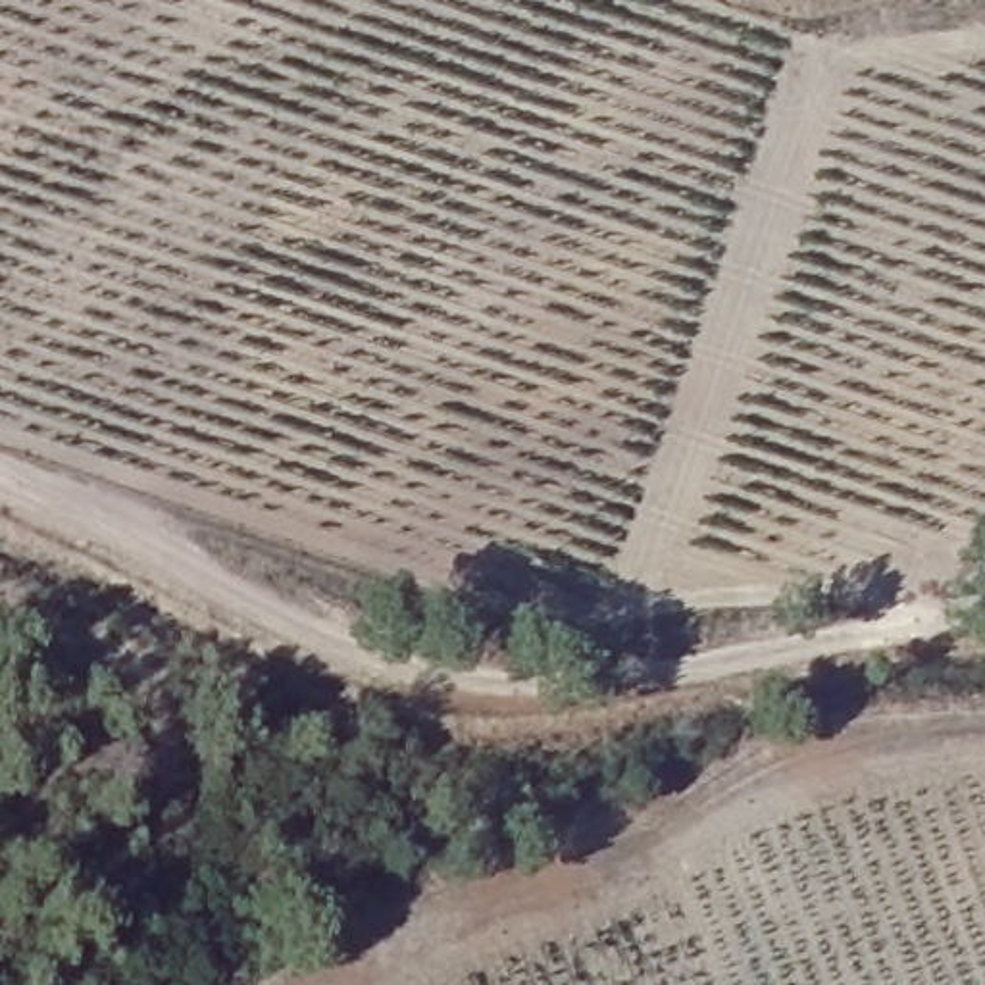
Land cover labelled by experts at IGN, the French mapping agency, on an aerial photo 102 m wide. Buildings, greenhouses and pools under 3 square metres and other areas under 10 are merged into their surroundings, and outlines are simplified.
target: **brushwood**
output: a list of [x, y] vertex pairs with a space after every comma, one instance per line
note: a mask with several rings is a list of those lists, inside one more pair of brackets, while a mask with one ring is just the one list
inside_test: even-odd
[[358, 716], [350, 700], [342, 677], [335, 677], [319, 658], [296, 658], [292, 646], [254, 654], [239, 639], [223, 639], [219, 631], [200, 631], [169, 619], [123, 585], [104, 585], [92, 577], [58, 577], [50, 562], [19, 558], [0, 546], [0, 604], [23, 600], [42, 616], [50, 631], [42, 666], [54, 696], [85, 693], [92, 666], [112, 673], [131, 696], [139, 735], [146, 746], [142, 758], [135, 746], [108, 743], [100, 708], [35, 716], [19, 723], [19, 735], [31, 750], [31, 789], [0, 793], [0, 881], [12, 870], [12, 839], [42, 839], [46, 846], [58, 846], [62, 862], [77, 866], [73, 893], [92, 889], [104, 904], [115, 908], [119, 947], [139, 947], [150, 916], [162, 916], [173, 904], [181, 904], [185, 881], [192, 873], [192, 846], [181, 839], [181, 827], [196, 816], [200, 804], [200, 758], [185, 720], [185, 704], [196, 700], [196, 689], [223, 696], [235, 693], [242, 712], [262, 708], [265, 727], [277, 731], [289, 731], [296, 716], [323, 712], [335, 743], [350, 743], [358, 735]]
[[54, 947], [38, 947], [38, 916], [23, 916], [23, 927], [15, 935], [4, 935], [0, 912], [0, 985], [85, 985], [85, 973], [100, 958], [96, 939], [88, 931], [77, 931], [81, 958], [69, 962]]

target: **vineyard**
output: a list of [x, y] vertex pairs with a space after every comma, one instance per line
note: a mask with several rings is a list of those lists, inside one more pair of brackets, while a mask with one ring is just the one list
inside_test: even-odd
[[743, 739], [731, 758], [708, 762], [700, 777], [681, 793], [658, 796], [646, 808], [631, 812], [627, 827], [585, 862], [550, 862], [539, 873], [519, 873], [512, 866], [504, 873], [473, 881], [442, 877], [431, 866], [419, 889], [408, 920], [389, 939], [381, 939], [350, 962], [323, 966], [312, 985], [985, 985], [985, 696], [973, 693], [916, 704], [873, 700], [839, 735], [820, 739]]
[[877, 619], [893, 604], [916, 604], [927, 596], [923, 581], [954, 581], [958, 573], [966, 573], [962, 550], [973, 539], [973, 523], [985, 516], [985, 23], [923, 35], [877, 35], [854, 42], [839, 35], [789, 31], [785, 15], [812, 15], [812, 0], [0, 0], [0, 454], [162, 512], [165, 500], [177, 500], [215, 519], [242, 523], [258, 535], [289, 539], [304, 550], [346, 558], [377, 573], [412, 573], [419, 589], [458, 589], [458, 600], [485, 627], [485, 635], [512, 623], [512, 612], [519, 604], [546, 608], [550, 619], [562, 619], [566, 627], [589, 635], [596, 646], [608, 646], [608, 662], [639, 658], [669, 662], [677, 669], [685, 654], [696, 650], [700, 627], [693, 608], [773, 604], [793, 585], [820, 585], [827, 589], [827, 612], [839, 619]]

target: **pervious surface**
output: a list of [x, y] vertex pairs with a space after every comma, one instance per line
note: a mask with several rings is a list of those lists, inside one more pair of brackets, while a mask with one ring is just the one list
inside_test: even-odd
[[292, 646], [296, 658], [319, 658], [335, 677], [342, 677], [350, 700], [362, 696], [366, 685], [404, 693], [416, 681], [423, 689], [442, 693], [446, 700], [454, 689], [473, 696], [539, 693], [535, 677], [516, 681], [500, 666], [458, 669], [450, 662], [427, 662], [416, 654], [396, 662], [377, 650], [366, 650], [350, 631], [350, 612], [312, 589], [300, 589], [300, 596], [289, 604], [265, 585], [235, 577], [185, 535], [181, 523], [173, 523], [162, 512], [0, 454], [0, 546], [19, 558], [50, 562], [58, 577], [92, 577], [104, 585], [123, 585], [169, 619], [200, 631], [219, 631], [223, 639], [239, 639], [254, 654]]
[[789, 677], [800, 677], [808, 677], [816, 658], [854, 662], [866, 650], [943, 635], [943, 608], [927, 596], [916, 604], [893, 604], [877, 619], [839, 619], [812, 635], [789, 635], [777, 627], [750, 643], [696, 650], [685, 654], [677, 669], [669, 662], [639, 658], [608, 662], [593, 662], [593, 685], [600, 693], [650, 696], [673, 689], [677, 673], [685, 681], [712, 681], [743, 669], [766, 669], [785, 669]]

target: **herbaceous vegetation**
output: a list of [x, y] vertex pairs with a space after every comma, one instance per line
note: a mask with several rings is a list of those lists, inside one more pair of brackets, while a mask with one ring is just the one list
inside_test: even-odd
[[812, 15], [785, 15], [789, 31], [839, 35], [854, 42], [877, 35], [923, 35], [985, 23], [985, 0], [812, 0]]
[[693, 608], [700, 627], [696, 650], [750, 643], [777, 627], [773, 604]]
[[165, 500], [162, 512], [173, 523], [181, 523], [185, 535], [235, 577], [265, 585], [289, 604], [300, 596], [300, 589], [312, 589], [350, 612], [362, 608], [358, 593], [377, 573], [346, 558], [304, 550], [289, 539], [258, 535], [242, 523], [215, 519], [177, 500]]
[[316, 885], [335, 889], [335, 904], [342, 912], [335, 947], [350, 962], [381, 939], [389, 939], [408, 920], [419, 889], [416, 881], [389, 873], [381, 862], [323, 854], [308, 866], [308, 877]]
[[473, 696], [454, 689], [446, 700], [442, 727], [450, 731], [450, 739], [489, 739], [500, 750], [519, 750], [539, 739], [546, 750], [585, 750], [623, 723], [646, 723], [654, 716], [700, 716], [723, 704], [746, 712], [754, 708], [758, 693], [754, 681], [766, 669], [743, 669], [712, 681], [685, 681], [677, 673], [673, 689], [650, 696], [600, 693], [589, 708], [554, 712], [550, 700], [539, 693]]
[[816, 658], [808, 677], [800, 677], [804, 696], [812, 700], [808, 723], [820, 739], [839, 735], [873, 700], [862, 666], [854, 662]]

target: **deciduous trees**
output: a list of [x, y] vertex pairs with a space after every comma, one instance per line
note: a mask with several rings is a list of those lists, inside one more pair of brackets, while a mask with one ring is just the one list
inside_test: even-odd
[[485, 635], [485, 627], [458, 600], [458, 589], [419, 589], [412, 573], [377, 573], [358, 593], [362, 608], [350, 612], [350, 631], [366, 650], [377, 650], [396, 662], [416, 654], [427, 662], [450, 662], [458, 669], [500, 666], [516, 681], [535, 677], [539, 693], [550, 700], [554, 712], [589, 708], [600, 693], [593, 685], [593, 662], [608, 662], [608, 646], [596, 646], [589, 635], [566, 627], [562, 619], [550, 619], [546, 608], [519, 604], [512, 612], [512, 623]]
[[758, 693], [754, 708], [746, 712], [723, 704], [700, 716], [654, 716], [646, 723], [623, 723], [585, 750], [546, 750], [539, 739], [519, 750], [500, 750], [489, 739], [450, 739], [450, 731], [442, 727], [446, 700], [442, 693], [423, 689], [416, 681], [404, 693], [366, 685], [362, 696], [350, 700], [358, 716], [358, 735], [350, 743], [335, 743], [323, 712], [296, 716], [289, 731], [277, 731], [265, 727], [262, 708], [242, 712], [235, 693], [223, 696], [196, 689], [196, 700], [185, 704], [185, 720], [200, 758], [200, 804], [196, 816], [181, 827], [181, 839], [192, 846], [192, 873], [185, 881], [181, 904], [173, 904], [162, 916], [150, 916], [139, 947], [119, 947], [115, 908], [104, 904], [92, 889], [73, 893], [77, 866], [62, 862], [58, 846], [46, 846], [42, 839], [12, 839], [12, 870], [0, 881], [0, 912], [4, 935], [15, 935], [23, 927], [23, 916], [38, 916], [38, 947], [54, 947], [69, 962], [81, 958], [77, 931], [88, 931], [96, 939], [100, 958], [85, 973], [85, 985], [312, 985], [323, 966], [350, 962], [335, 947], [342, 912], [335, 904], [335, 889], [316, 885], [308, 877], [308, 866], [323, 854], [381, 862], [389, 873], [416, 881], [419, 889], [431, 866], [442, 877], [473, 881], [504, 873], [512, 866], [519, 873], [539, 873], [550, 862], [585, 862], [627, 827], [631, 812], [646, 808], [658, 796], [681, 793], [700, 777], [708, 762], [731, 758], [743, 739], [820, 739], [808, 723], [812, 700], [804, 696], [800, 677], [789, 677], [785, 669], [766, 669], [754, 681]]
[[923, 581], [927, 596], [943, 608], [943, 635], [866, 650], [854, 662], [862, 666], [873, 700], [916, 704], [973, 693], [985, 696], [985, 516], [973, 523], [973, 539], [962, 550], [966, 573], [958, 573], [954, 581]]
[[19, 723], [35, 716], [100, 708], [108, 743], [135, 746], [142, 758], [146, 746], [139, 735], [131, 696], [112, 673], [92, 666], [85, 693], [54, 696], [42, 666], [50, 631], [42, 616], [23, 600], [0, 604], [0, 793], [31, 789], [31, 750], [19, 735]]
[[793, 585], [773, 604], [777, 627], [789, 635], [812, 635], [839, 619], [827, 612], [827, 589], [820, 585]]

